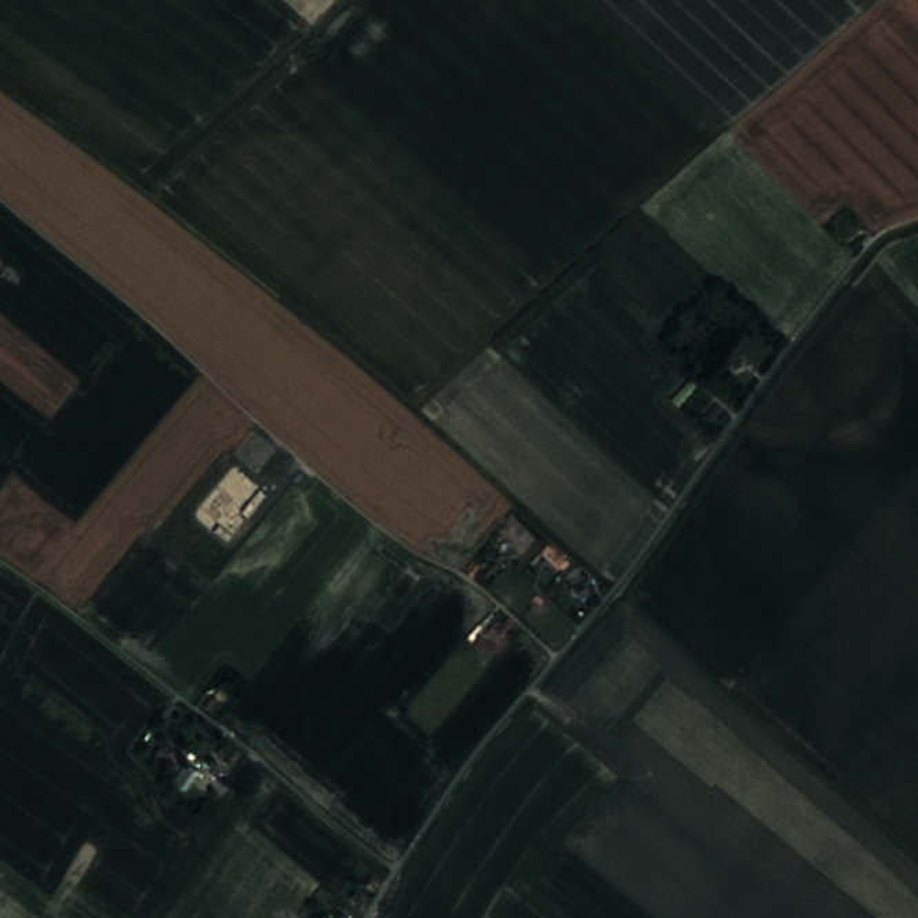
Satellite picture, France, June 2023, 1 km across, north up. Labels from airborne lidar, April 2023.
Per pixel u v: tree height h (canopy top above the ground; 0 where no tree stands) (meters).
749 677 0
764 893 0
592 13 0
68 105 0
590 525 0
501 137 0
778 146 0
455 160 0
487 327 0
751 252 0
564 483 0
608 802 0
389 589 0
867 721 0
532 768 0
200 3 0
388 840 0
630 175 0
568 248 0
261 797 0
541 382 0
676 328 15
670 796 0
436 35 0
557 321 0
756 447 0
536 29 0
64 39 0
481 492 0
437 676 0
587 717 0
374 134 0
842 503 0
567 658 0
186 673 0
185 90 0
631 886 0
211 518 0
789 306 0
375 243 0
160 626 0
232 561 0
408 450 0
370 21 0
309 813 0
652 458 0
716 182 0
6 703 0
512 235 0
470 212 0
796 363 0
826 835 0
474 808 0
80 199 0
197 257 0
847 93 0
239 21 0
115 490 0
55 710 0
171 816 0
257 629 0
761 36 0
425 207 0
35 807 0
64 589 0
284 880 0
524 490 0
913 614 0
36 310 0
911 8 0
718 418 11
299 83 0
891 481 0
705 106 0
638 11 0
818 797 0
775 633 0
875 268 0
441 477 0
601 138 0
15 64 0
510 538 0
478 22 0
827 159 0
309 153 0
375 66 0
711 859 0
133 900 0
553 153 0
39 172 0
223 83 0
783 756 0
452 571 0
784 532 0
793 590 0
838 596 0
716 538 0
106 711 0
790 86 0
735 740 0
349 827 0
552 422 0
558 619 0
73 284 0
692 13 0
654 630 0
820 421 0
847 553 0
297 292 0
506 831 0
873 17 0
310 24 0
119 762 0
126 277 0
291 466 0
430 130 0
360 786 0
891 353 0
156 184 0
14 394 0
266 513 0
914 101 0
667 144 0
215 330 0
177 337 0
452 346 0
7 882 0
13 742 0
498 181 0
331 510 0
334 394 0
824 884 0
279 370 0
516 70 0
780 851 0
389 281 0
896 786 0
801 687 0
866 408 0
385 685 0
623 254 0
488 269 0
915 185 0
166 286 0
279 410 0
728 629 0
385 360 0
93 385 0
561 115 0
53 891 0
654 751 0
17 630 0
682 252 0
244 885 0
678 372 0
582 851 0
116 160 0
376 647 0
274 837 0
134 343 0
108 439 0
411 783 0
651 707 0
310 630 0
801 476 0
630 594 0
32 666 0
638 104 0
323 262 0
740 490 0
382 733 0
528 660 0
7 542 0
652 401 0
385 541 0
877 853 0
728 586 0
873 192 0
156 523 0
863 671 0
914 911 0
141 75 0
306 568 0
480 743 0
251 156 0
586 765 0
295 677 0
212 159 0
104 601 0
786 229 0
